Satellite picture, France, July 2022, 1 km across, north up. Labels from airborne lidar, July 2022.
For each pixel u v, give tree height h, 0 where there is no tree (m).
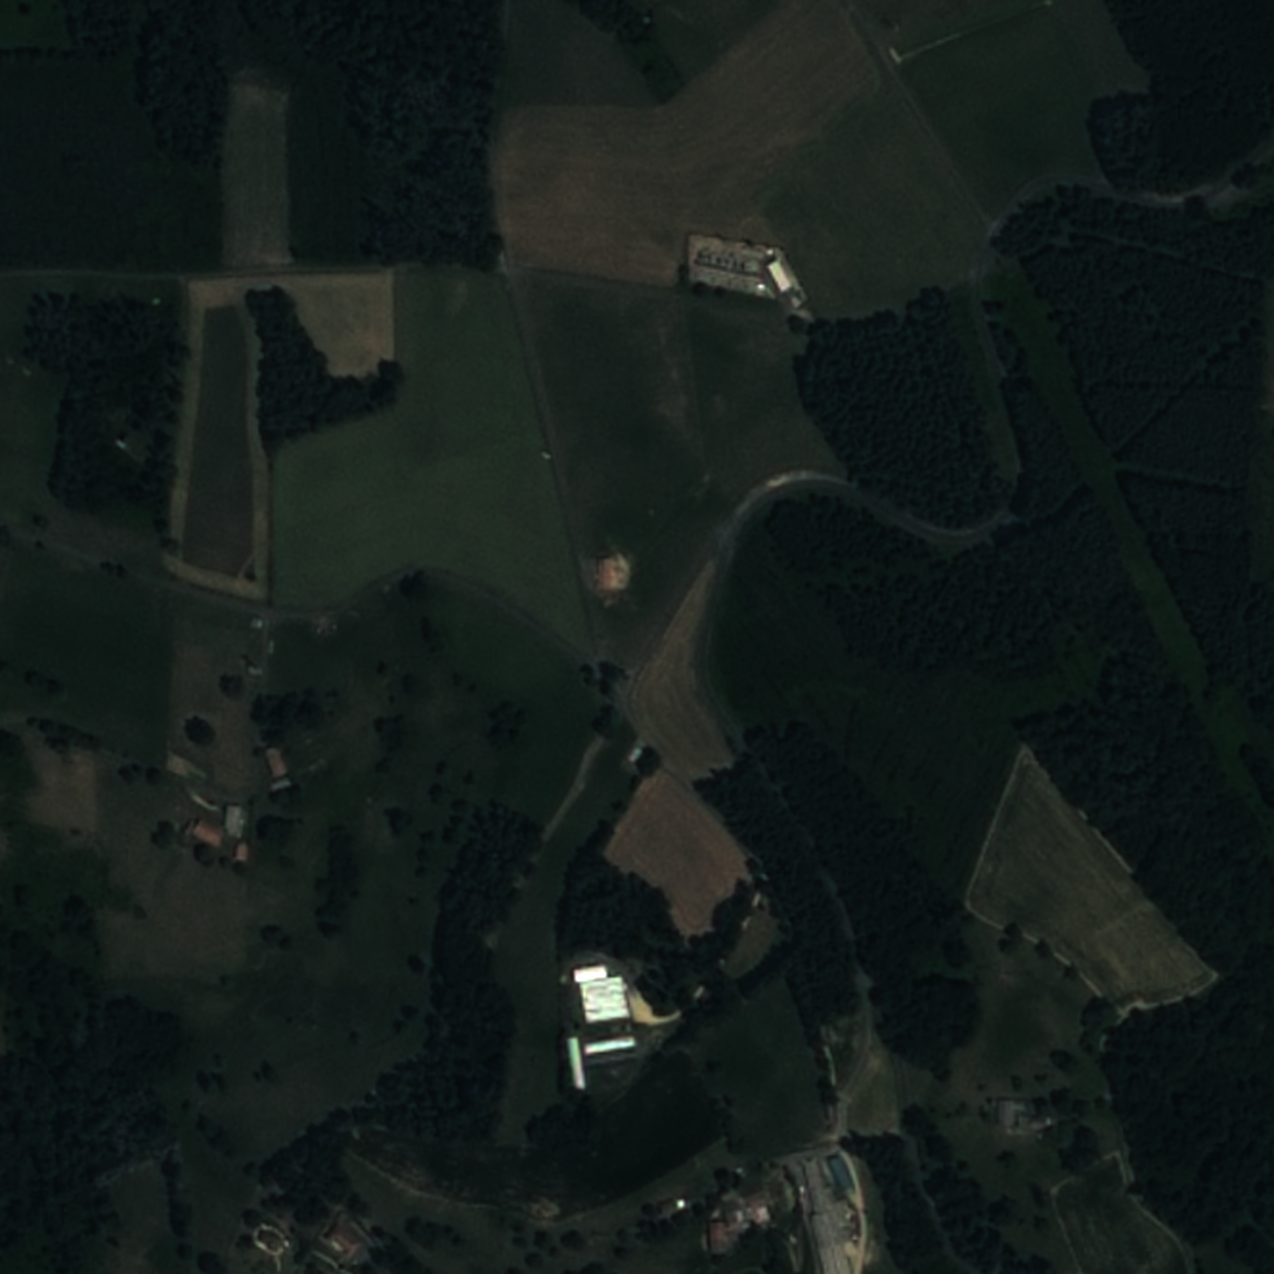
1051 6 0
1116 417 25
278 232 0
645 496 0
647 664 0
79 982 17
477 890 17
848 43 0
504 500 0
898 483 24
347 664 0
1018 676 9
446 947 21
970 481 23
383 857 0
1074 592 22
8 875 0
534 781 0
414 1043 0
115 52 12
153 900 0
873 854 21
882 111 0
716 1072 14
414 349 0
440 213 25
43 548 13
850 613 7
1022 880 0
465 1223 0
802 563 13
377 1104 13
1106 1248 0
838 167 0
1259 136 14
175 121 20
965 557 9
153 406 20
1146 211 11
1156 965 0
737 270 0
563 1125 15
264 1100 0
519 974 0
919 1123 25
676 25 0
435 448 0
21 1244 11
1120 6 11
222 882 0
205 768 0
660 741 0
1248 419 24
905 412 25
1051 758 18
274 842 18
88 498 17
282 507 0
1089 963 0
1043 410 27
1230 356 17
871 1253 0
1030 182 0
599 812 0
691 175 0
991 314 14
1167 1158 20
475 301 0
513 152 0
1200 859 17
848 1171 0
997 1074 0
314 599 0
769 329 0
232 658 0
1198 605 21
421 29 31
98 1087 37
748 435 0
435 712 0
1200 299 23
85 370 20
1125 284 9
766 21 0
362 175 0
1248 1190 24
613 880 13
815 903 23
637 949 23
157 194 0
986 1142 0
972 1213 31
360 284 0
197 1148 0
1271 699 9
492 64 23
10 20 0
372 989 0
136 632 0
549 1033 0
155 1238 0
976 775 0
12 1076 26
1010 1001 0
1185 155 15
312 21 25
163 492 15
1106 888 0
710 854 0
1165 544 21
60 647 0
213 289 0
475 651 0
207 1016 0
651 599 0
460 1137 19
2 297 0
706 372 0
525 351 0
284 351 23
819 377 23
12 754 19
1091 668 0
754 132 0
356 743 0
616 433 0
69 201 0
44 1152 27
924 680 7
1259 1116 20
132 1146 22
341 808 0
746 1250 16
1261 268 17
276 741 22
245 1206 0
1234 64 14
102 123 0
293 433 22
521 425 0
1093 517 28
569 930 16
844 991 22
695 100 0
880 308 0
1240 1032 17
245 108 0
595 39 0
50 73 0
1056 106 0
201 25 23
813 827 18
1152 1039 21
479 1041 7
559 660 0
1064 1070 21
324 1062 0
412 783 0
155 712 0
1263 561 0
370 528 0
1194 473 21
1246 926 14
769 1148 0
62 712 0
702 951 18
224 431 0
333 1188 18
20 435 0
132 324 24
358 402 24
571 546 0
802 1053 0
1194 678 0
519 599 0
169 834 11
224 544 0
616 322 0
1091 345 13
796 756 23
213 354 0
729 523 0
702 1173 0
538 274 0
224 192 0
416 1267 19
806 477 0
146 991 0
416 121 34
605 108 0
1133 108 28
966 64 0
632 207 0
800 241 0
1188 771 29
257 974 0
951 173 0
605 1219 0
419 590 25
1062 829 0
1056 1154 0
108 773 0
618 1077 0
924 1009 26
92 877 0
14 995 8
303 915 0
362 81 26
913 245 0
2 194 0
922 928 26
